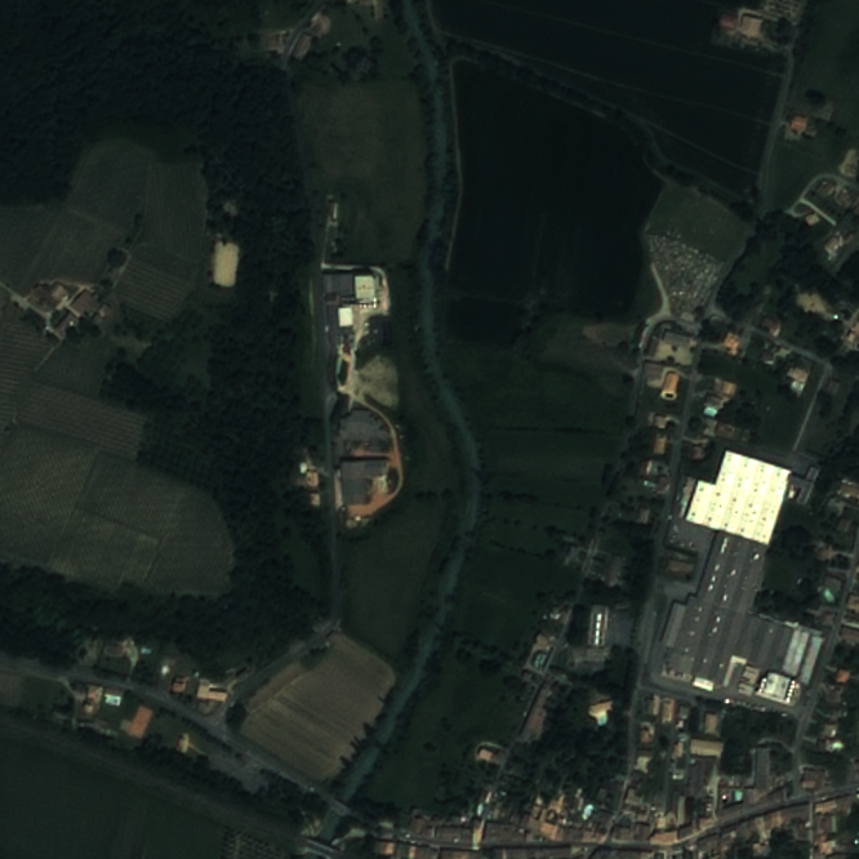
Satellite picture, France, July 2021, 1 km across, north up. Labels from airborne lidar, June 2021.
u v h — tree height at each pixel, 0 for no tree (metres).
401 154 0
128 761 0
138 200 0
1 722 0
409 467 0
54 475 0
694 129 0
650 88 0
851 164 0
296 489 7
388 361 0
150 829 0
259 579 12
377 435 0
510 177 0
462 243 0
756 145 0
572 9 0
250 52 0
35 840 0
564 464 0
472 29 0
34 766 0
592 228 0
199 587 0
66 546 0
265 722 0
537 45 0
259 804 8
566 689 7
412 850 0
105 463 0
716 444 7
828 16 0
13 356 0
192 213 0
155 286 0
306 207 11
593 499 0
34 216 0
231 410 14
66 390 0
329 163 0
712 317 0
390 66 0
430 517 0
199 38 16
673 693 0
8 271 0
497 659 18
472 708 0
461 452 8
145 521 0
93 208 0
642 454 7
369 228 0
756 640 0
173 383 10
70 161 31
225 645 21
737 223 0
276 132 24
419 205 0
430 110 9
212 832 0
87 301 0
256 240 18
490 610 0
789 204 0
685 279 0
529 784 9
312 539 17
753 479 0
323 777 0
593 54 0
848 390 0
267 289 20
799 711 0
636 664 11
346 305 0
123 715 0
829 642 0
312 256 25
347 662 0
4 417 0
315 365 0
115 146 0
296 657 0
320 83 0
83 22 10
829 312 0
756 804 0
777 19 0
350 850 0
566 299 0
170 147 0
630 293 0
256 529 17
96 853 0
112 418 0
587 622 12
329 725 0
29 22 23
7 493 0
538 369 0
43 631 28
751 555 0
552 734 13
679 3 0
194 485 7
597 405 0
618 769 15
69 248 0
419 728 0
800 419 0
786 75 0
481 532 10
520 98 0
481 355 0
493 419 0
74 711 13
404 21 21
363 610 0
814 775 0
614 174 0
